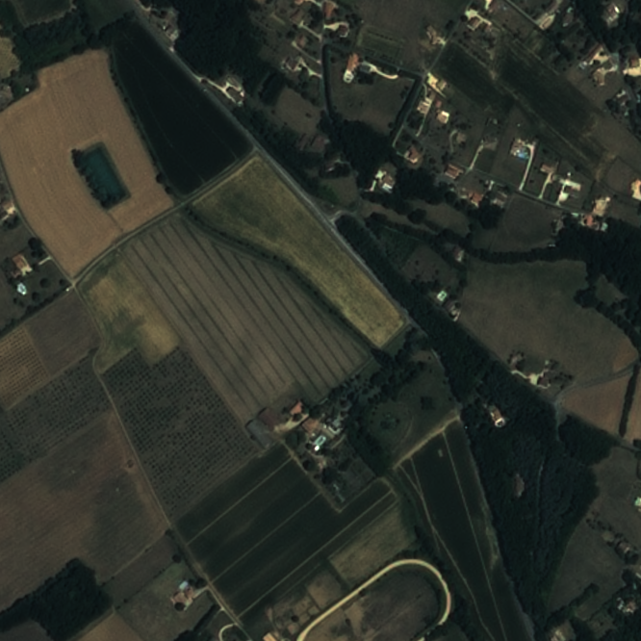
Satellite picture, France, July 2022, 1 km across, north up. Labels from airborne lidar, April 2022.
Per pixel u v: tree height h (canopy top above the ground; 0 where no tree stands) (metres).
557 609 0
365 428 10
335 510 0
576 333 0
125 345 0
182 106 0
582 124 0
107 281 0
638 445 13
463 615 17
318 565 0
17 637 0
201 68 17
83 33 10
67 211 0
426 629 0
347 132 24
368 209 0
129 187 0
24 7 0
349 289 0
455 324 14
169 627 0
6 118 0
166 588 0
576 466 24
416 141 10
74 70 0
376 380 15
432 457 0
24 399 0
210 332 0
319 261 0
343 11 8
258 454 0
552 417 18
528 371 0
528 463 17
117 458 0
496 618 0
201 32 23
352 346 0
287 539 0
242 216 0
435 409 0
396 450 0
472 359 11
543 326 0
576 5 7
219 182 0
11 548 0
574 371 0
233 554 0
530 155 0
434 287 17
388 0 0
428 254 0
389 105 0
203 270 0
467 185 0
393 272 11
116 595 0
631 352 0
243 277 0
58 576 7
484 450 22
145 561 0
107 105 0
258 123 13
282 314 0
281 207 0
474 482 0
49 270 0
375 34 0
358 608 0
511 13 0
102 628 0
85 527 0
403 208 25
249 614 0
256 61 18
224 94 0
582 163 0
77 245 0
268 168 0
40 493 0
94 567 0
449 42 0
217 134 0
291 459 0
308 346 0
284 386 0
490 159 0
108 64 0
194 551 0
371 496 0
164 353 0
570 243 17
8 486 0
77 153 20
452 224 0
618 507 0
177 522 0
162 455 0
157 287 0
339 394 15
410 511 0
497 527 15
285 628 0
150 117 0
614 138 0
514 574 22
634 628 13
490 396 12
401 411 0
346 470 9
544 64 0
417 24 0
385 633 0
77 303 0
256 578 0
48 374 0
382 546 0
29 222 0
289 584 0
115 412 0
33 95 0
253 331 0
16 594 0
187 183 0
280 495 0
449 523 0
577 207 0
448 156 8
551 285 0
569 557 0
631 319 15
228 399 0
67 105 0
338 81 0
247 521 0
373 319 0
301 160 11
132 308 0
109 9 0
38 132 0
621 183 0
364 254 13
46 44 16
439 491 0
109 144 0
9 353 0
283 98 0
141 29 0
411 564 0
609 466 0
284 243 0
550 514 14
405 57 0
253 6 6
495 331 0
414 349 24
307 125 0
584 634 21
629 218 0
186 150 0
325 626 0
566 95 0
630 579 11
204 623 16
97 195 19
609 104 14
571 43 0
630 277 19
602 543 0
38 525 0
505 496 24
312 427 0
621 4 0
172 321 0
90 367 0
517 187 0
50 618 20
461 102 0
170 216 0
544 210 0
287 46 0
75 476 0
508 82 0
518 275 0
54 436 0
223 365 0
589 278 13
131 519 0
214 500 0
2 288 0
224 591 0
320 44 0
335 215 0
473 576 0
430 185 11
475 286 0
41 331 0
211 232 0
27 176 0
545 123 0
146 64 0
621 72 0
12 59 0
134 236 0
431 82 0
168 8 20
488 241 0
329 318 0
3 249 0
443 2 0
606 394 0
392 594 0
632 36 15
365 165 20
